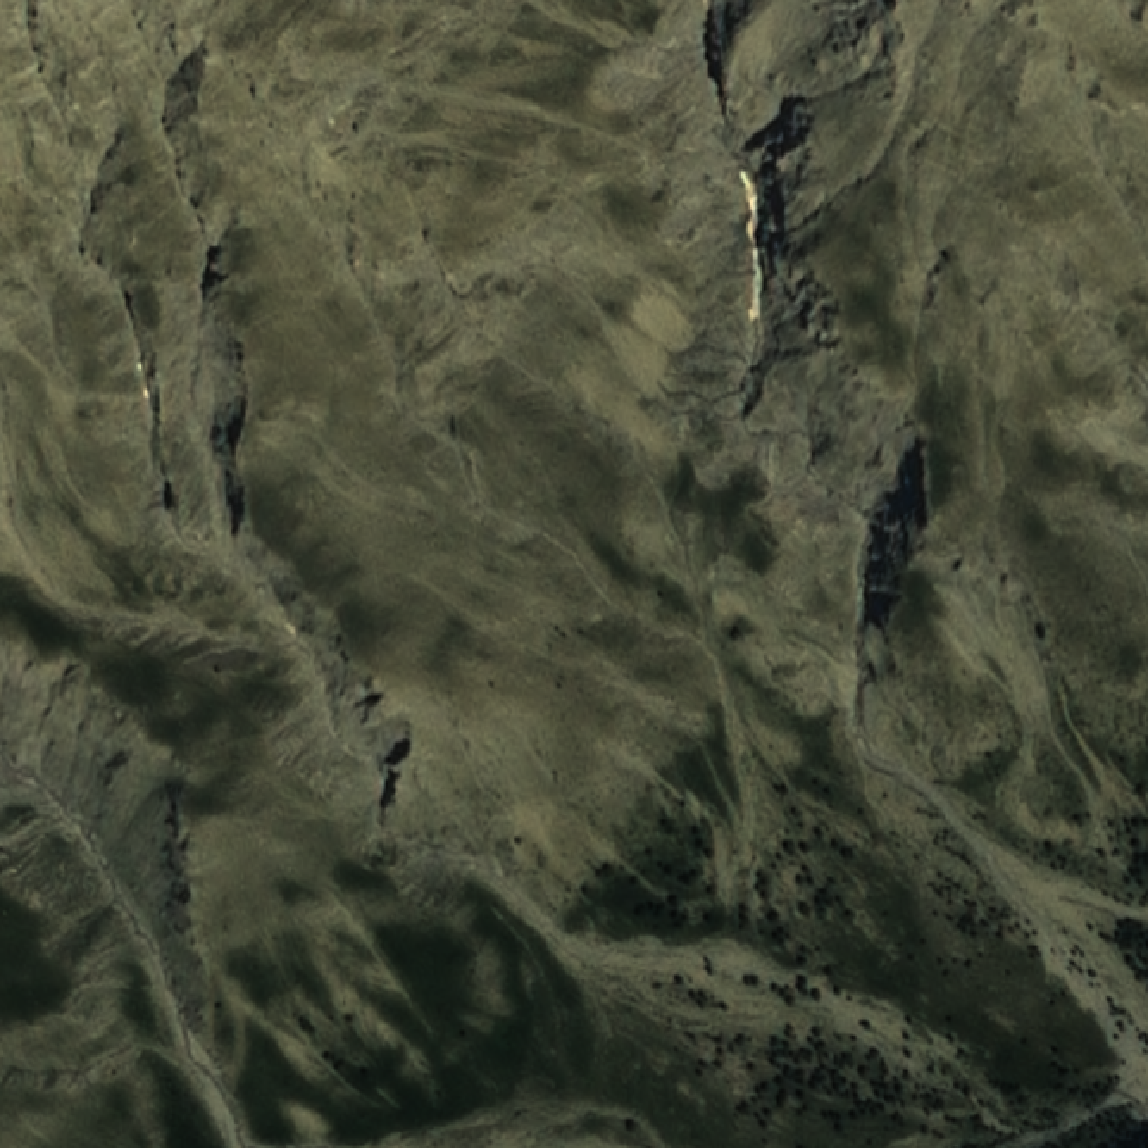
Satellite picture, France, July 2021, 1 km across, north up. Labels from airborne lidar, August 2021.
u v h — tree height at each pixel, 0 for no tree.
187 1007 0
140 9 0
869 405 0
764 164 0
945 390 0
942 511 0
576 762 0
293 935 0
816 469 0
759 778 0
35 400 0
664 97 0
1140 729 0
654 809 0
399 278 0
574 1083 0
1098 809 0
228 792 0
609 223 0
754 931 0
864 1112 12
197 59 0
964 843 0
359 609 0
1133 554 0
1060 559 0
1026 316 0
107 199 0
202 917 0
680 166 0
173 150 0
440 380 0
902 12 0
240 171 0
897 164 0
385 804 0
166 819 0
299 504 0
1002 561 0
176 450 0
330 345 0
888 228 0
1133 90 0
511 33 0
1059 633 0
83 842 0
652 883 0
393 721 0
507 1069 0
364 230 0
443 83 0
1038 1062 0
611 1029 0
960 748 0
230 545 0
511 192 0
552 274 0
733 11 0
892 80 0
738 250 0
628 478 0
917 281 0
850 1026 0
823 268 0
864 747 0
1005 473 0
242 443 0
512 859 0
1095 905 0
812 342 0
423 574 0
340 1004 0
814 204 0
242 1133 0
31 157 0
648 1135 0
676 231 0
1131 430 0
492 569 0
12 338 0
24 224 0
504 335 0
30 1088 0
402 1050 0
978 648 0
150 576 0
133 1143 0
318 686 0
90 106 0
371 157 0
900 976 0
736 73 0
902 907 0
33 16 0
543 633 0
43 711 0
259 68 0
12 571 0
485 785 0
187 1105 0
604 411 0
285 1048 0
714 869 0
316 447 0
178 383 0
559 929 0
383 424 0
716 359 0
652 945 0
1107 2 0
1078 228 0
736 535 0
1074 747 0
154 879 0
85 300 0
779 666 0
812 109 0
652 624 0
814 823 0
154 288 0
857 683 0
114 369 0
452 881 0
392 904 0
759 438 0
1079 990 0
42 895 0
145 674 0
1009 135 0
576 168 0
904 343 0
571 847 0
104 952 0
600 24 0
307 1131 0
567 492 0
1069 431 0
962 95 0
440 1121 0
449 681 0
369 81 0
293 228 0
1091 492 0
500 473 0
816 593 0
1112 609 0
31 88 0
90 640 0
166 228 0
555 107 0
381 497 0
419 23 0
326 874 0
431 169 0
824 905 9
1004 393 0
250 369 0
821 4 0
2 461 0
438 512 0
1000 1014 0
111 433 0
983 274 0
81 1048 0
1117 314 0
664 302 0
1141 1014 0
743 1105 8
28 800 0
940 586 0
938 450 0
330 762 0
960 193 0
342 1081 0
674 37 0
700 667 0
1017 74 0
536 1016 0
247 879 0
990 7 0
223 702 0
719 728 0
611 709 0
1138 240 0
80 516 0
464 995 0
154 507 0
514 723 0
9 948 0
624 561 0
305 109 0
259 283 0
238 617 0
